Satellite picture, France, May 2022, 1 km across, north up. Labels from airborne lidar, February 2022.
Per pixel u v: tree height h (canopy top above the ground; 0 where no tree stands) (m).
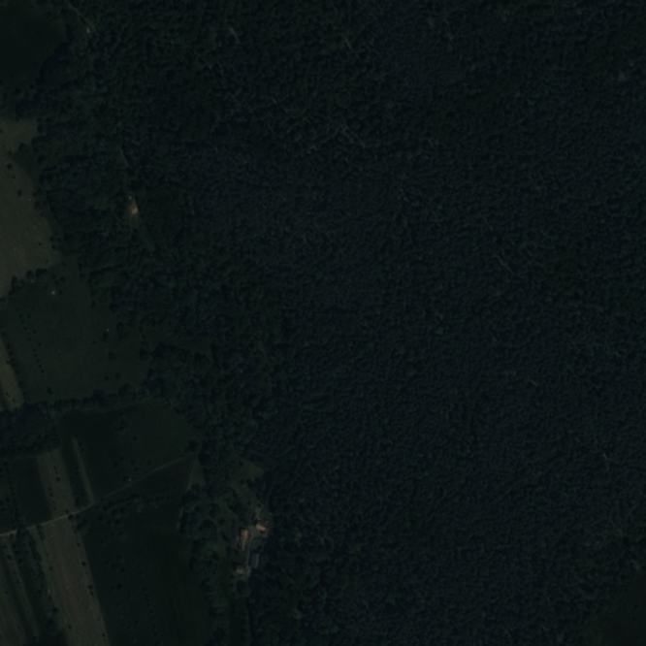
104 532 0
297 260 27
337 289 29
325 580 31
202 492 22
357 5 29
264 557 16
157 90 14
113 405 17
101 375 0
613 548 12
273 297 24
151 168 31
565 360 25
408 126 26
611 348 27
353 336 26
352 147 28
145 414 0
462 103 28
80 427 0
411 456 28
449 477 27
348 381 26
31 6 0
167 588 0
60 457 0
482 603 30
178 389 21
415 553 27
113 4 25
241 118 30
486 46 9
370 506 30
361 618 29
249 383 30
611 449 25
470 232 27
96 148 22
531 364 27
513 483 26
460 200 27
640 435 26
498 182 25
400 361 30
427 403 30
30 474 0
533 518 25
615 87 23
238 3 28
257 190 33
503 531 26
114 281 26
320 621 32
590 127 24
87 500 0
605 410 25
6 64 0
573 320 23
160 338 0
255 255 29
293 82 28
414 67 20
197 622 0
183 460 0
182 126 30
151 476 0
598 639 14
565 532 21
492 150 22
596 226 15
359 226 30
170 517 0
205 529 25
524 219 27
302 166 29
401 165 32
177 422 0
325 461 28
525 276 29
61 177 21
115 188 26
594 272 30
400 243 31
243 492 0
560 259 13
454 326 29
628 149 35
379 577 25
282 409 26
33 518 0
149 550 0
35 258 0
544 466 27
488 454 30
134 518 0
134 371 0
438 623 23
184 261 32
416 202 29
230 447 28
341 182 28
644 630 0
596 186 29
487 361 33
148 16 29
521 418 26
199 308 26
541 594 27
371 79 26
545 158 22
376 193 32
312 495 28
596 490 25
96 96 26
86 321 0
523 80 26
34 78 0
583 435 28
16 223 0
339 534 29
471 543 28
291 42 30
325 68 28
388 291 31
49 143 18
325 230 31
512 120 25
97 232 30
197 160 30
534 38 9
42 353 0
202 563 13
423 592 27
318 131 28
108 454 0
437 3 6
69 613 0
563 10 23
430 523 30
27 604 0
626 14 25
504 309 26
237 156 30
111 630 0
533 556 29
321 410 25
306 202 31
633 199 12
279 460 25
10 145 0
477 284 28
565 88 26
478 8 11
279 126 27
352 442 29
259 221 30
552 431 29
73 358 0
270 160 29
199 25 26
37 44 0
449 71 21
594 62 26
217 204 34
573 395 24
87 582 0
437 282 27
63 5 22
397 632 30
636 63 27
